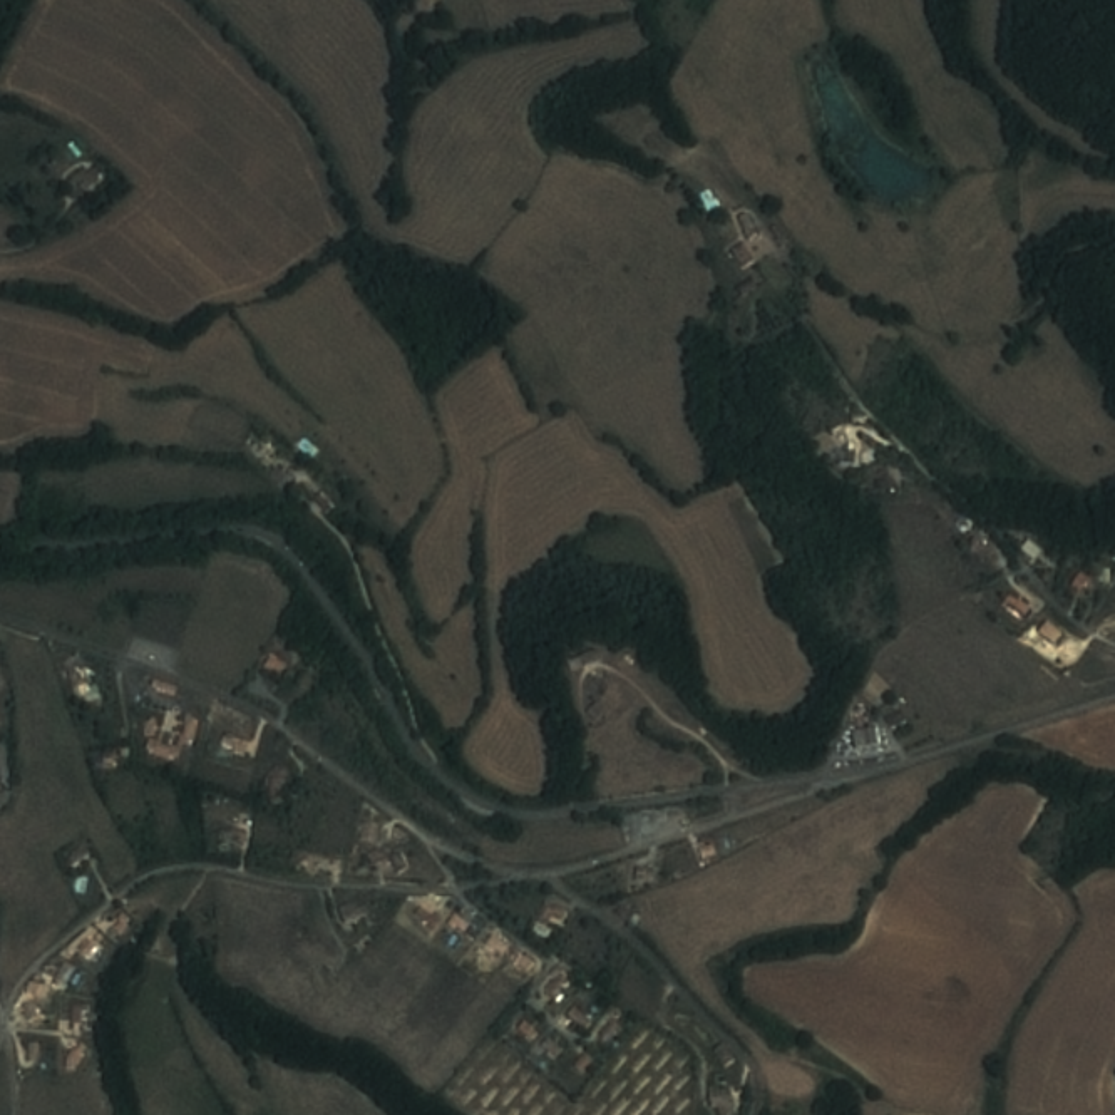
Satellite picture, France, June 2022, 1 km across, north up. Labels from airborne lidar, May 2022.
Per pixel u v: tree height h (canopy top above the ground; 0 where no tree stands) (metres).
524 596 17
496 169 0
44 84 0
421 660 0
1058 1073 0
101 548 16
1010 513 12
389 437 0
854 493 6
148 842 7
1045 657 0
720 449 8
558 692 15
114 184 10
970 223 0
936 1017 0
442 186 0
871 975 0
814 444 7
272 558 10
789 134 0
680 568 0
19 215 0
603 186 0
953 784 9
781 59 0
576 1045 7
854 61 16
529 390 8
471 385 0
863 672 8
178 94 0
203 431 0
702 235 0
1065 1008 0
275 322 0
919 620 0
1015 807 0
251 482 0
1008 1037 0
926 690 0
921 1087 0
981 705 0
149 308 0
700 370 16
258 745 0
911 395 8
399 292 10
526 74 0
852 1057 0
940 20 20
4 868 0
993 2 0
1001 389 0
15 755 7
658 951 6
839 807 0
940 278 0
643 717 6
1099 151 13
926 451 12
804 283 8
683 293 0
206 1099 0
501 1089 0
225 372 0
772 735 17
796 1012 0
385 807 0
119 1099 16
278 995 0
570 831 0
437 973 0
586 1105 0
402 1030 0
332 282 0
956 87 0
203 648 0
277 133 0
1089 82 14
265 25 0
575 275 0
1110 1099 0
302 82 0
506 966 0
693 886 0
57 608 0
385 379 0
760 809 0
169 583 0
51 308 8
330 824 0
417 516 6
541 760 0
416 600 5
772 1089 0
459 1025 0
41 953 0
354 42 0
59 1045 0
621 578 18
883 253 0
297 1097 0
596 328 0
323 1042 8
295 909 0
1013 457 7
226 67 0
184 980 17
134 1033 0
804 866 0
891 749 0
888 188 0
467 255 0
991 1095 0
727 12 0
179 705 0
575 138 16
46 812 0
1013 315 0
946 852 0
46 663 0
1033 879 0
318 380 0
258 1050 7
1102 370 9
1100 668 0
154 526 12
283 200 0
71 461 15
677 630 13
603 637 13
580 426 0
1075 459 0
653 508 0
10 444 0
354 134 0
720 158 0
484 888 10
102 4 0
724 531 0
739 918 0
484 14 0
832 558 10
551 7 0
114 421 0
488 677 7
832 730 9
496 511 0
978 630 0
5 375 0
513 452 0
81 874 7
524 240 0
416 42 12
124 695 0
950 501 8
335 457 0
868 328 0
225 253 0
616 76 16
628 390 0
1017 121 19
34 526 7
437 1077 0
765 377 12
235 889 0
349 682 6
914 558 0
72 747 0
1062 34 14
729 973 10
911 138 0
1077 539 9
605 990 9
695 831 0
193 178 0
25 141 0
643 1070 0
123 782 0
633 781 0
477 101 0
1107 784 7
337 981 0
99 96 0
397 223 11
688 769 0
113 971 13
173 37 0
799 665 0
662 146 0
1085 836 11
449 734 9
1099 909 0
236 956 0
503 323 16
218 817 0
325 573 17
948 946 0
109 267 0
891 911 0
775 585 16
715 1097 0
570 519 0
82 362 0
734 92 0
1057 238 17
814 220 0
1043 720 0
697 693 10
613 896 10
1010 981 0
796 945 14
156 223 0
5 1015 0
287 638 9
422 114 0
